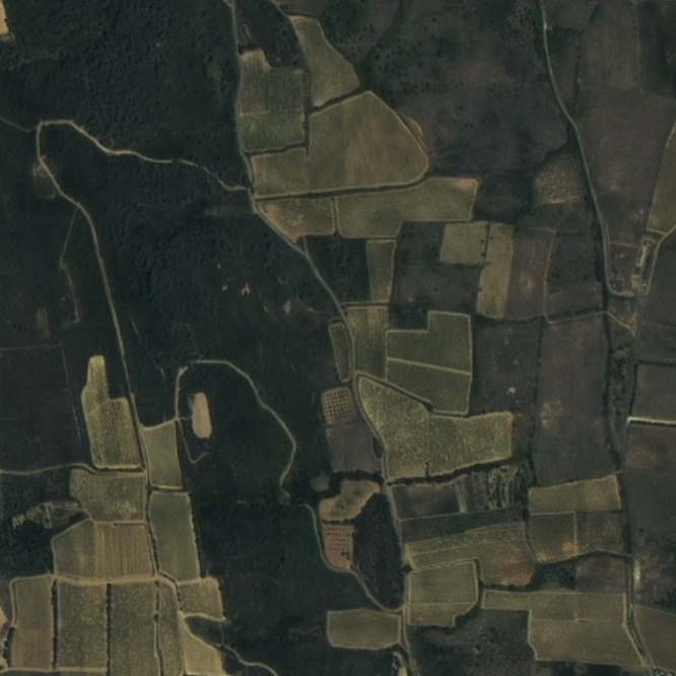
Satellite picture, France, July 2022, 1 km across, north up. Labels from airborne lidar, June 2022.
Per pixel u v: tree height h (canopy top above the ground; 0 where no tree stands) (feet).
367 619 0
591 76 0
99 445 0
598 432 0
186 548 0
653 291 0
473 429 0
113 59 22
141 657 0
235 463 0
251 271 0
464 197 0
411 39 0
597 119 0
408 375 0
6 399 0
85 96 34
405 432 0
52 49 22
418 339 0
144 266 37
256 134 0
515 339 0
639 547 0
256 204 0
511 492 0
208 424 0
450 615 0
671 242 0
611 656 0
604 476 0
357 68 20
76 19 34
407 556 0
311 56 0
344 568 0
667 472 0
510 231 0
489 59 0
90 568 0
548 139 0
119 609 0
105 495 0
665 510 0
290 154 0
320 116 0
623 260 0
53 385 0
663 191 0
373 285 0
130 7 28
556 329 0
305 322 0
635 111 0
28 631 0
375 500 22
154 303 37
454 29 0
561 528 0
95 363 0
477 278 0
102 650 0
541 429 0
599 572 0
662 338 0
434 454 0
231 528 22
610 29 0
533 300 0
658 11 0
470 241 0
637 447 0
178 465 0
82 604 0
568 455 0
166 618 0
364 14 0
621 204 0
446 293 0
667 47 0
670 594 20
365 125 0
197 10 0
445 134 0
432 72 0
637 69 0
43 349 0
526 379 0
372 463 0
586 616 0
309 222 0
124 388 0
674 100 0
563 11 0
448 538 0
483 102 0
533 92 0
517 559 0
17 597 0
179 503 0
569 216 0
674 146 0
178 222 22
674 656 0
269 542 28
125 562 0
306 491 26
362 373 0
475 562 0
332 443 0
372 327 0
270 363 0
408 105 0
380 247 0
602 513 0
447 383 0
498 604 0
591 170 0
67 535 0
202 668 0
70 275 0
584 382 0
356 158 0
